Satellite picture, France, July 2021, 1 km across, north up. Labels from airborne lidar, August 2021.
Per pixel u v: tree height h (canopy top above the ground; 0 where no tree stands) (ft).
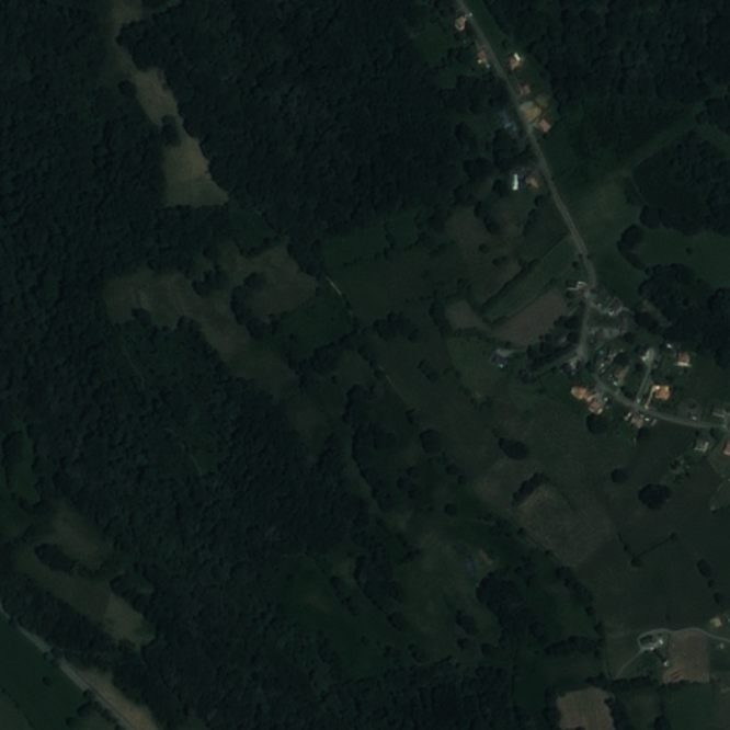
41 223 117
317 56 108
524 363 0
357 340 73
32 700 0
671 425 0
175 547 51
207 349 76
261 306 0
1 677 0
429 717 59
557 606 0
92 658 32
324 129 99
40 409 87
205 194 0
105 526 60
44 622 70
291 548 83
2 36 72
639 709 0
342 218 31
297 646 39
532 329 0
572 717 0
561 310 0
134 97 36
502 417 0
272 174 90
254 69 73
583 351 0
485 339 26
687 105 74
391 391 0
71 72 31
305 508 80
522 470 0
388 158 103
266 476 89
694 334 80
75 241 104
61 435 80
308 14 87
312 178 102
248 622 82
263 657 37
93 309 23
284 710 83
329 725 72
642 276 0
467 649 82
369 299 0
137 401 22
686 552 0
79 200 32
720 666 0
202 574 59
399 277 0
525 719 69
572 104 89
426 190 84
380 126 77
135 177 70
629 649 0
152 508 70
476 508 0
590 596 27
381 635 0
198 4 97
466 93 61
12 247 103
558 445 0
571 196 0
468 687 54
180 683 77
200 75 79
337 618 0
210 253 80
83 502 98
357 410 75
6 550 61
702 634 0
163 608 67
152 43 74
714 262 0
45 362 83
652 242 0
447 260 0
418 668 23
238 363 0
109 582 0
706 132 0
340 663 34
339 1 87
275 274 0
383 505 71
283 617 42
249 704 50
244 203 53
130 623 0
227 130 73
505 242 0
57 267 102
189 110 85
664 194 25
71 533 0
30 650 0
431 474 0
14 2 71
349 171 76
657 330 73
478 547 0
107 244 103
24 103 101
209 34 99
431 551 0
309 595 0
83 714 61
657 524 0
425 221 31
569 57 63
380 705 31
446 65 53
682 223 60
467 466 0
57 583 0
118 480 81
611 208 0
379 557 75
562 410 0
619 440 0
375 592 93
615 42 72
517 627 89
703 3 121
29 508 57
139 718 0
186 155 0
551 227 0
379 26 77
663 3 37
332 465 88
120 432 91
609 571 0
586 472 0
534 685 0
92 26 64
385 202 57
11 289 84
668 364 0
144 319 94
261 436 87
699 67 72
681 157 25
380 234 0
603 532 0
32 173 66
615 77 28
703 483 0
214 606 84
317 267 57
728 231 59
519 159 54
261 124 93
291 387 0
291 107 87
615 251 0
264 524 80
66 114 22
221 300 0
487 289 0
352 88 88
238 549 89
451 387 0
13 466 74
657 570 0
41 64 25
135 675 42
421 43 0
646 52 19
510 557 0
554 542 0
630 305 34
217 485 51
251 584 45
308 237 70
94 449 103
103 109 37
